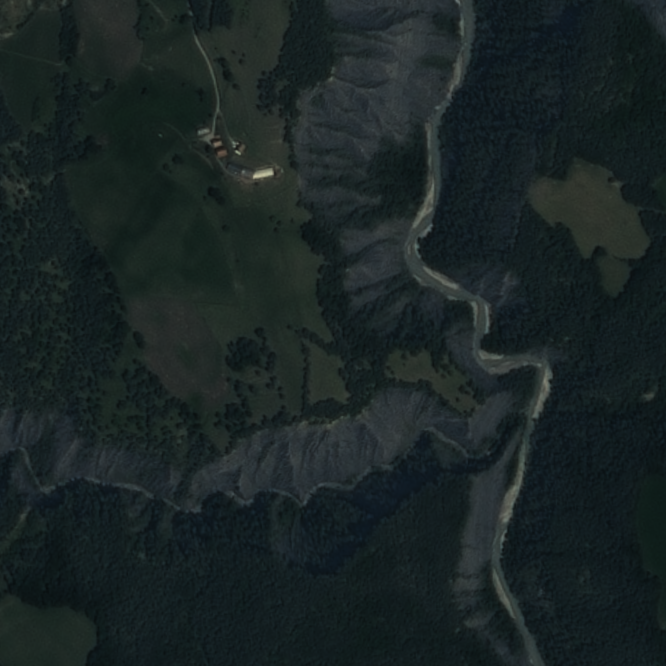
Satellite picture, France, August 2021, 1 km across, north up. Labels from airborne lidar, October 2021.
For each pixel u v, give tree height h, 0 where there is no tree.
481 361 0
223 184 0
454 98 9
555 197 0
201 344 0
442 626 10
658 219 11
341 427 0
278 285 0
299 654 8
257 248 0
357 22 0
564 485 10
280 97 9
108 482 0
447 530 9
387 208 10
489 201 7
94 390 8
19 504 7
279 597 9
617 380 9
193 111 0
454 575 8
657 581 15
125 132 0
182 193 0
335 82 0
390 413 0
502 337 10
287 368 0
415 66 0
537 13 9
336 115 0
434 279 0
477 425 0
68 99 14
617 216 0
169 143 0
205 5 10
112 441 8
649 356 11
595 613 13
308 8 11
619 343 11
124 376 11
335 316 12
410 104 0
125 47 0
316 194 0
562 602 15
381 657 8
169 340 0
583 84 7
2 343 12
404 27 0
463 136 8
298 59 11
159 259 0
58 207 7
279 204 0
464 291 0
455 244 9
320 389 0
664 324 11
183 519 7
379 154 10
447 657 9
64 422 0
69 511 13
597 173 0
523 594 9
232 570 10
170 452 6
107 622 13
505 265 9
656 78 13
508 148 8
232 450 8
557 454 14
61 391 16
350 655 12
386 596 9
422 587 9
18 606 0
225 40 0
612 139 11
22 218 10
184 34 0
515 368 8
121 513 7
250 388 7
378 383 12
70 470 0
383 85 0
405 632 10
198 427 11
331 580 7
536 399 0
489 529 0
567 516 13
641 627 11
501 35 18
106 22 0
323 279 10
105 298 13
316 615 9
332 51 11
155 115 0
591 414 17
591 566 11
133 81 0
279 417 10
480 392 12
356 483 0
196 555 10
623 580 13
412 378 0
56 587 10
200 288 0
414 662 9
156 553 8
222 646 14
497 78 12
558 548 14
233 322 0
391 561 9
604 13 14
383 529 8
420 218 0
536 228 11
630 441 13
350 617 10
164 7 0
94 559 6
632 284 16
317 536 7
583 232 0
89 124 0
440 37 0
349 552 0
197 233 0
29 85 0
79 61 0
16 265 11
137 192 0
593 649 9
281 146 0
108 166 0
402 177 13
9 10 0
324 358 0
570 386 9
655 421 8
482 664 18
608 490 13
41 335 7
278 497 8
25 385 13
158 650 13
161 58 0
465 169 10
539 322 12
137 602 8
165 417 10
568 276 14
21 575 11
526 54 8
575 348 15
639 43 10
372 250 0
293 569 10
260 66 0
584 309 13
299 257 0
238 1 0
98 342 13
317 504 16
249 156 0
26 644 0
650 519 0
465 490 9
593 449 14
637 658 11
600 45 13
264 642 12
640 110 6
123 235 0
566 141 13
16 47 0
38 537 8
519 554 8
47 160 10
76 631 0
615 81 10
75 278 8
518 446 11
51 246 9
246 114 0
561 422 10
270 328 0
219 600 11
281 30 0
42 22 0
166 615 10
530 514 7
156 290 0
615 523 13
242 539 10
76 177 0
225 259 0
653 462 24
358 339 11
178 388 0
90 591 7
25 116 0
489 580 9
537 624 15
